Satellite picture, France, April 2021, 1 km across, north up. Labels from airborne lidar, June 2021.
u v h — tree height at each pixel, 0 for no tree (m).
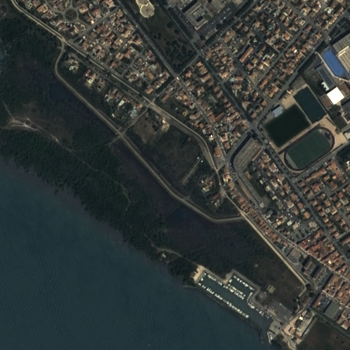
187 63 7
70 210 0
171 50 5
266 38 8
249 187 0
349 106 0
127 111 7
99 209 10
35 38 9
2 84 9
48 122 0
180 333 0
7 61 7
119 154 0
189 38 8
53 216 0
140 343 0
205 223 0
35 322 0
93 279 0
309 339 0
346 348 0
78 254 0
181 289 0
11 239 0
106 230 0
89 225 0
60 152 9
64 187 10
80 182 9
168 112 0
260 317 0
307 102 0
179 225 0
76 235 0
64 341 0
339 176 0
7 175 0
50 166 11
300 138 0
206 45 6
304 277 0
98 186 7
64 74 8
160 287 0
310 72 0
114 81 9
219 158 0
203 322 0
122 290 0
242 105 7
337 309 0
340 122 0
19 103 7
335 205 5
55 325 0
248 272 6
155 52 9
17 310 0
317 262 12
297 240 0
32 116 0
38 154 10
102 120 0
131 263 0
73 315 0
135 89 0
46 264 0
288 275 0
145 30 9
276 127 0
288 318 0
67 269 0
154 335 0
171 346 0
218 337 0
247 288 0
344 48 0
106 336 0
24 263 0
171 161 0
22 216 0
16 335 0
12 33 8
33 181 0
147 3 0
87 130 7
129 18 11
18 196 0
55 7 0
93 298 0
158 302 0
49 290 0
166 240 9
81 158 8
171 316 0
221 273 6
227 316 0
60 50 0
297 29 0
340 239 0
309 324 0
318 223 6
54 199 0
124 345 0
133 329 0
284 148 0
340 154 6
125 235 10
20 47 14
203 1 0
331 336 0
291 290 0
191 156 0
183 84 0
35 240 0
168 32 0
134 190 6
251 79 0
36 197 0
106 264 0
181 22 9
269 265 0
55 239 0
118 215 7
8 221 0
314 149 0
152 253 10
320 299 0
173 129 0
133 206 7
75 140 5
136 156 0
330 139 0
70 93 0
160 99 12
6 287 0
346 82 6
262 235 0
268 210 8
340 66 0
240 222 0
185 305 0
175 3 0
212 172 6
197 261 7
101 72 7
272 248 0
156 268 0
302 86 0
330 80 0
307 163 0
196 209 0
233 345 0
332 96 0
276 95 0
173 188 0
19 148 7
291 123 0
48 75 6
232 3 0
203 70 0
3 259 0
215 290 0
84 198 11
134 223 8
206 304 0
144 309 0
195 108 7
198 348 0
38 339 0
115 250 0
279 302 0
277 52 9
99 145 7
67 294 0
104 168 10
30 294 0
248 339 0
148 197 6
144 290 0
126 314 0
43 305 0
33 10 6
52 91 0
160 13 0
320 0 0
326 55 0
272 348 0
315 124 0
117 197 5
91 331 0
